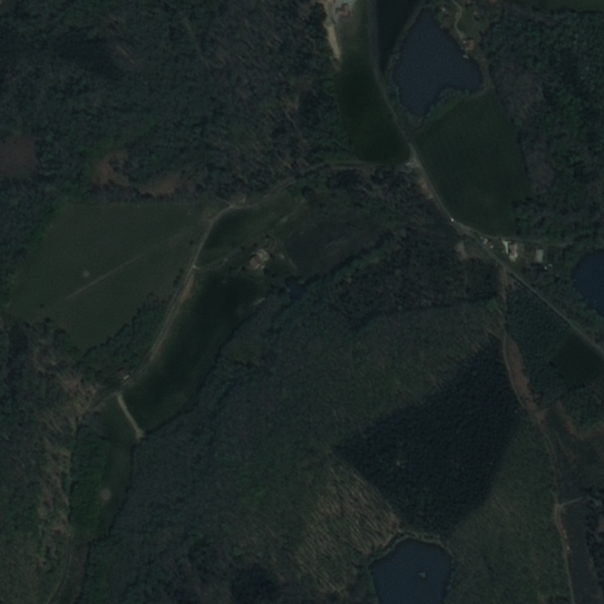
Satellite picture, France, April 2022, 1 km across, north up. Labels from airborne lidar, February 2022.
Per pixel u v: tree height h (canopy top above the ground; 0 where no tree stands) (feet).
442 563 0
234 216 0
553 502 62
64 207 72
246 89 91
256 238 0
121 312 0
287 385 81
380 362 75
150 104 67
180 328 0
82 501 94
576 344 0
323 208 50
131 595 75
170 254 0
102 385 55
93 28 48
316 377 80
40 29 70
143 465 50
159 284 0
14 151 0
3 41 91
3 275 69
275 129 70
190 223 0
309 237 0
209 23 64
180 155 35
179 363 0
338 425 67
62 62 54
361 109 0
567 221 87
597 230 25
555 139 36
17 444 83
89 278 0
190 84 70
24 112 75
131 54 75
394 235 0
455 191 0
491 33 43
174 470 70
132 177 31
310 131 72
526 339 65
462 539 70
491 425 98
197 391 0
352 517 63
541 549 65
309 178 52
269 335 54
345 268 53
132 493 51
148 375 0
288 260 0
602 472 0
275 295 41
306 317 89
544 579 66
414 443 81
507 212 0
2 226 75
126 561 57
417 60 0
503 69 88
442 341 71
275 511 72
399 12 0
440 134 0
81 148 83
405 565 0
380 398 64
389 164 0
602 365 0
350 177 46
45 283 0
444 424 98
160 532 81
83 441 89
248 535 77
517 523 56
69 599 22
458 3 61
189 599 74
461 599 79
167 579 60
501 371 89
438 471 88
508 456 71
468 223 0
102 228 0
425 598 0
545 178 94
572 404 35
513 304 63
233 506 88
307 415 73
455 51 0
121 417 0
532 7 0
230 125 81
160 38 57
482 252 50
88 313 0
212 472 95
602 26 44
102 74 76
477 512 65
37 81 64
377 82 0
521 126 50
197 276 0
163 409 0
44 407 81
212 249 0
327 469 71
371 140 0
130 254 0
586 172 81
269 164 77
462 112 0
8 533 75
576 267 0
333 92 71
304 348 87
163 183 0
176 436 68
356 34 0
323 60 70
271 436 62
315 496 71
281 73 79
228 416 100
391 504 80
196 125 19
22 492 85
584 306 69
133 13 61
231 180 81
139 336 71
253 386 102
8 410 72
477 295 30
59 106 79
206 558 62
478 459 88
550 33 71
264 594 85
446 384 71
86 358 30
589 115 64
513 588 56
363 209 70
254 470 64
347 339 75
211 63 78
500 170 0
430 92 0
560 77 41
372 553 65
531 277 54
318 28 30
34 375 80
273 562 88
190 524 76
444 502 77
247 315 0
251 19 85
